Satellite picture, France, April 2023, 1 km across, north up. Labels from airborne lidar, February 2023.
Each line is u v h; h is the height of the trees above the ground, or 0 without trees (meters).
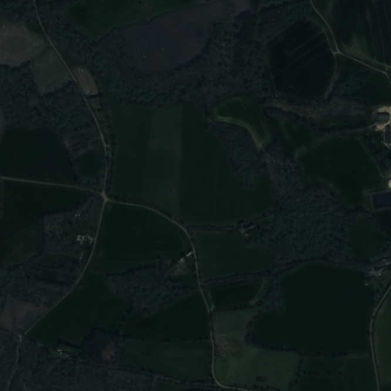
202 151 0
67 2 22
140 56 0
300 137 0
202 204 0
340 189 0
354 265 17
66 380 15
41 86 0
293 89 0
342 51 0
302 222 9
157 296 14
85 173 0
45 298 13
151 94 10
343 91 6
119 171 0
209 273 0
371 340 0
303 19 0
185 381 8
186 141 0
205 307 0
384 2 0
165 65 0
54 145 0
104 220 0
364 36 0
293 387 11
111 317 0
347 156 0
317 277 0
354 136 0
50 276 0
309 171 0
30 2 12
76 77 0
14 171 0
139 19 0
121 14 0
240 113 0
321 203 15
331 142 0
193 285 0
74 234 0
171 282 9
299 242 9
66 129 12
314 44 0
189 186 0
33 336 0
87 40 7
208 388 10
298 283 0
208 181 0
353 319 0
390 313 0
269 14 17
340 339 0
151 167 0
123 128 0
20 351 16
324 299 0
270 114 18
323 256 6
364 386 0
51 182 0
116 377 8
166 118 0
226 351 0
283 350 13
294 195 23
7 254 0
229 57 12
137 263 0
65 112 14
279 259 6
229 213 0
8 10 16
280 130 0
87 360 12
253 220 0
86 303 0
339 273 0
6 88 9
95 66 7
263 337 0
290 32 0
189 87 7
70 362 7
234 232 8
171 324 0
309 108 16
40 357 20
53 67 0
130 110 0
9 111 18
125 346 0
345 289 0
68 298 0
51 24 17
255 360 0
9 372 14
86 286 0
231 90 15
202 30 0
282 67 0
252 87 17
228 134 7
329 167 0
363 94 0
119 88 10
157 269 11
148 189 0
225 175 0
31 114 10
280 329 0
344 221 11
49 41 0
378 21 0
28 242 0
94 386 17
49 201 0
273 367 0
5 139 0
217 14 0
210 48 19
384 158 20
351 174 0
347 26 0
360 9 0
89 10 0
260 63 14
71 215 13
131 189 0
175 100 5
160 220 0
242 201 0
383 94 0
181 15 0
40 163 0
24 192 0
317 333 0
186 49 0
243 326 0
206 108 9
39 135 0
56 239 11
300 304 0
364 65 0
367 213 8
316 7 0
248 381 0
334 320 0
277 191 17
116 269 0
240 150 7
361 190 0
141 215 0
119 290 15
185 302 0
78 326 0
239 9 0
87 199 8
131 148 0
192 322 0
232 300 0
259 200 0
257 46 16
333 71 0
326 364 0
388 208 0
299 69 0
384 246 0
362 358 0
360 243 0
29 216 0
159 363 0
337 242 12
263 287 0
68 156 16
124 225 0
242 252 0
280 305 15
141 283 18
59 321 0
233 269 0
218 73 11
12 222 0
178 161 0
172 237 0
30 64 7
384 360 0
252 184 7
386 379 0
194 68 20
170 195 0
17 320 0
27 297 17
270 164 22
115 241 0
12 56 0
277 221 16
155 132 0
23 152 0
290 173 21
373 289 7
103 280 0
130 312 10
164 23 0
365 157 0
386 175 0
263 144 0
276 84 0
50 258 0
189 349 0
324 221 13
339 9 0
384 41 0
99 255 0
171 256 0
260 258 0
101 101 16
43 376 18
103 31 0
